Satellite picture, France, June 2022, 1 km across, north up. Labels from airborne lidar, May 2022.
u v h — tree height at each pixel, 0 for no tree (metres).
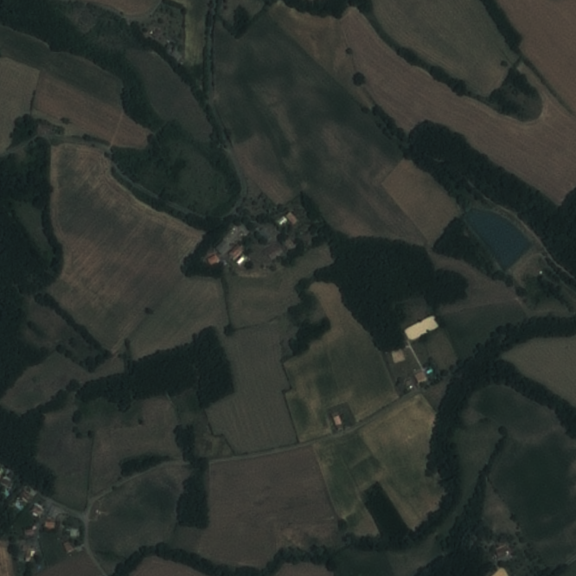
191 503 17
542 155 0
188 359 13
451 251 13
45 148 15
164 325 0
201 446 0
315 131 0
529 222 16
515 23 0
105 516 0
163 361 14
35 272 14
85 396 14
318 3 15
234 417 0
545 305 0
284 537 0
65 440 0
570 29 0
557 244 18
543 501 0
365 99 0
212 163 8
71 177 0
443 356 0
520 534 10
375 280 19
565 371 0
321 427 0
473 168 17
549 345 0
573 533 0
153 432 0
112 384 18
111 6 0
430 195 0
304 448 0
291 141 0
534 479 0
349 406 0
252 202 7
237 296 0
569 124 0
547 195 0
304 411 0
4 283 18
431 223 0
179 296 0
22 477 21
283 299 0
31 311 0
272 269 7
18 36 0
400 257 12
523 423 0
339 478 0
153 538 0
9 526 6
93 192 0
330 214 0
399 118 0
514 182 18
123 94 13
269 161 0
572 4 0
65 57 0
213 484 0
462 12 0
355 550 22
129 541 0
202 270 15
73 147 0
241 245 6
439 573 18
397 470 0
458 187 20
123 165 9
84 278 0
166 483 0
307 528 0
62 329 0
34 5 12
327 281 15
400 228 0
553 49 0
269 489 0
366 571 0
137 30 9
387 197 0
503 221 0
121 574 20
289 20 0
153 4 0
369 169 0
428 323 0
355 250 15
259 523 0
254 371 0
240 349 0
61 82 0
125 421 0
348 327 0
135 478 0
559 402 15
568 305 7
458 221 17
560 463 0
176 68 16
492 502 0
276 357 0
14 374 17
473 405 0
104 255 0
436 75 17
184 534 0
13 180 21
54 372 0
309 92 0
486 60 0
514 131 0
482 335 0
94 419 0
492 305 0
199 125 0
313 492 0
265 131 0
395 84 0
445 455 23
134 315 0
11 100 0
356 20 0
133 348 0
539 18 0
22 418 12
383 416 0
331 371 0
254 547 0
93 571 0
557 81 0
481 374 22
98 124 0
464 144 18
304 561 14
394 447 0
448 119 0
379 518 9
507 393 0
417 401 0
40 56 0
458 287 17
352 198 0
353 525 0
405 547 16
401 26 0
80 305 0
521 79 13
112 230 0
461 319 0
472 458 0
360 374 0
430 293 15
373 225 0
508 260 0
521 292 18
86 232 0
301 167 0
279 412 0
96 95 0
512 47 12
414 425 0
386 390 0
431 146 18
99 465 0
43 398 0
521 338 16
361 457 0
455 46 0
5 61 0
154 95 0
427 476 12
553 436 0
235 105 0
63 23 13
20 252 19
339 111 0
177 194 0
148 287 0
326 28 0
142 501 0
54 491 14
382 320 22
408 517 0
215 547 0
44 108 0
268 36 0
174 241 0
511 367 19
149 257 0
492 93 8
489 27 0
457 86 19
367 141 0
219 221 15
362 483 0
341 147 0
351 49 10
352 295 17
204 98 8
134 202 0
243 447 0
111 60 11
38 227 0
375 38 0
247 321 0
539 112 0
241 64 0
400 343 21
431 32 0
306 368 0
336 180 0
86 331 11
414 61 15
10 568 0
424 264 13
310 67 0
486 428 0
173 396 16
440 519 14
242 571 15
